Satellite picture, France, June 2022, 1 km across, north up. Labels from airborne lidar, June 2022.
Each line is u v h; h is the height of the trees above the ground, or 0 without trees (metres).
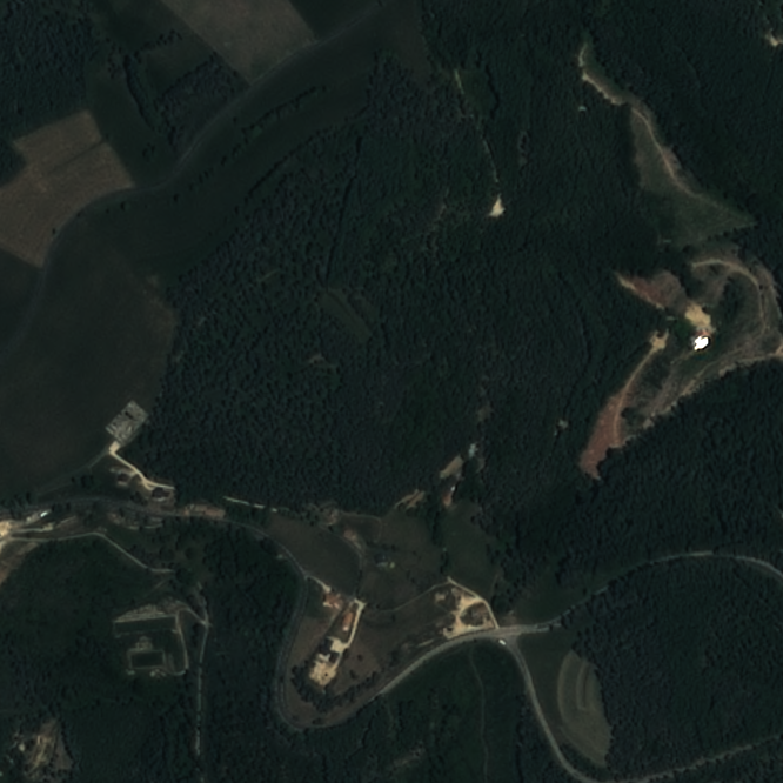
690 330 9
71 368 0
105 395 0
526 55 22
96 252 0
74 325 0
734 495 17
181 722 9
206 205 0
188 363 12
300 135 0
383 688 0
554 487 8
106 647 9
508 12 24
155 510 0
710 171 17
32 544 0
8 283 0
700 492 22
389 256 21
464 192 11
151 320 0
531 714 14
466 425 15
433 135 14
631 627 20
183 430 12
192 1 0
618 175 18
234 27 0
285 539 0
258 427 13
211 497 27
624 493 25
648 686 18
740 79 25
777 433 23
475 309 12
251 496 12
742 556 21
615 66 28
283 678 10
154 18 0
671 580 19
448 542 15
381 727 19
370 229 23
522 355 15
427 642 0
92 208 0
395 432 15
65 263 0
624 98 0
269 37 0
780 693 19
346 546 0
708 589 17
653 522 22
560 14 21
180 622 0
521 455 15
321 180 6
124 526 0
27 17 16
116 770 19
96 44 25
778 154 13
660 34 16
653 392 0
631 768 14
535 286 19
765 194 11
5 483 0
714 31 13
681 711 23
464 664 0
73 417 0
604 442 0
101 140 0
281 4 0
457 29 20
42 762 0
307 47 0
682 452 26
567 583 16
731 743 24
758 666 19
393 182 21
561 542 24
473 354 12
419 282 17
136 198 0
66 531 0
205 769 12
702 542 29
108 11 0
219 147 0
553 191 24
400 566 0
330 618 0
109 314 0
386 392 8
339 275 20
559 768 14
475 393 16
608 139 18
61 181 0
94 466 0
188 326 12
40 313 0
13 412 0
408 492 11
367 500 15
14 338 0
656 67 16
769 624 12
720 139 12
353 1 0
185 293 10
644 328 27
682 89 13
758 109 19
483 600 0
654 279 22
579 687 0
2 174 24
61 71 15
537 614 0
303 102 9
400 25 0
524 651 0
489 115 0
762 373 34
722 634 18
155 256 0
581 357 15
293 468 14
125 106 0
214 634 0
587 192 17
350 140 6
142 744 13
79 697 11
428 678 0
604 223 17
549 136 21
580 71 24
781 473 21
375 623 0
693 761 16
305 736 13
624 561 22
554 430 18
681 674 21
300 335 9
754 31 12
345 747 21
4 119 27
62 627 0
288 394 13
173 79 0
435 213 11
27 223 0
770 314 0
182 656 0
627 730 13
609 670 13
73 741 22
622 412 0
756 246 36
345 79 0
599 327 19
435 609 0
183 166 0
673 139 20
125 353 0
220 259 8
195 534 7
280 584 18
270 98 0
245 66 0
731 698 17
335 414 10
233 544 10
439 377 11
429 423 12
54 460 0
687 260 23
